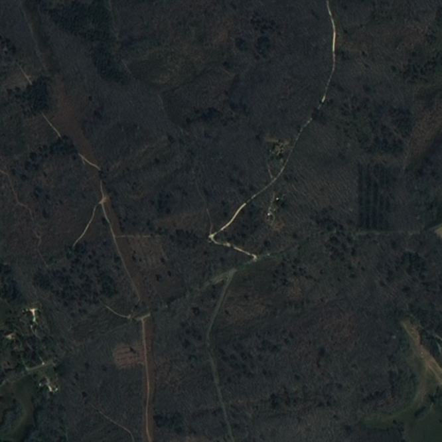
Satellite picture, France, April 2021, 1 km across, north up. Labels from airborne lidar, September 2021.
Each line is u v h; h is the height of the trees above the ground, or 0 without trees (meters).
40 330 13
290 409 23
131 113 22
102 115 20
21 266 11
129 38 10
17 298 21
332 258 13
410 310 16
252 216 13
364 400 11
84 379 8
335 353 10
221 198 14
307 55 12
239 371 21
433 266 17
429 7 17
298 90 6
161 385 6
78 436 9
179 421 27
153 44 17
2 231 8
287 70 15
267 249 19
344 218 15
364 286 15
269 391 14
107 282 17
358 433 7
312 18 11
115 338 14
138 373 11
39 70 10
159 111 21
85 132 13
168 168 18
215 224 7
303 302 12
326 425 17
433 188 14
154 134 13
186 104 6
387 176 19
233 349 12
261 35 10
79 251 16
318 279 11
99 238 8
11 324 10
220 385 6
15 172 6
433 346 16
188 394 9
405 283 17
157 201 10
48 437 19
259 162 19
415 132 6
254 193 21
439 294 14
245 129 14
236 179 15
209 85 6
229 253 18
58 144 9
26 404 0
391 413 23
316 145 19
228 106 13
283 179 16
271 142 0
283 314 10
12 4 16
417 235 10
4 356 13
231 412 8
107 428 7
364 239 8
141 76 7
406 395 20
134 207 13
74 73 12
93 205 10
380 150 24
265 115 13
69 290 16
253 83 15
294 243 9
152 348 13
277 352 20
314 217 14
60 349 13
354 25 9
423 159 7
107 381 16
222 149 18
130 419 7
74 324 13
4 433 17
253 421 11
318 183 14
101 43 19
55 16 21
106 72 25
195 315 21
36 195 9
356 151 17
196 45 5
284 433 14
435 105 7
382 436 12
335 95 17
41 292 14
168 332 13
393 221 16
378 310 21
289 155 15
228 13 12
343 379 17
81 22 21
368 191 17
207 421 14
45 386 7
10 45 18
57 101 11
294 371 16
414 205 15
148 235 8
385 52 9
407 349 22
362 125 16
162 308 16
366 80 17
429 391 0
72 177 8
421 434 0
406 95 20
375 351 14
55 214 8
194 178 15
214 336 8
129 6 9
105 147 10
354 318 8
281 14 12
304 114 12
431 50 12
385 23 7
